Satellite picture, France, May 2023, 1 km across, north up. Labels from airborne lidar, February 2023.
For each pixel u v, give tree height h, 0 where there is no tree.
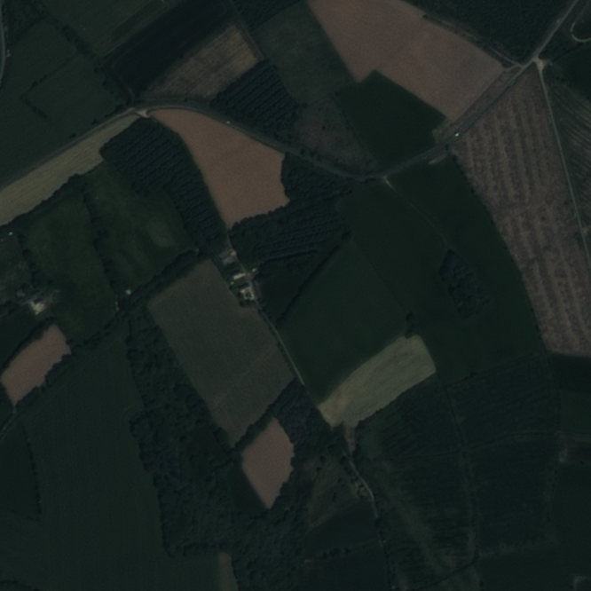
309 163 9
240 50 0
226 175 0
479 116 0
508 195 0
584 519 0
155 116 0
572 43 0
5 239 0
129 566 0
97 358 0
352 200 0
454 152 0
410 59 0
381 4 0
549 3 6
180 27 0
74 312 0
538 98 0
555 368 0
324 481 0
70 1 0
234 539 8
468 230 0
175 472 17
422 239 0
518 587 0
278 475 0
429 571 0
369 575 0
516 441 0
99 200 0
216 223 16
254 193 0
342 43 0
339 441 11
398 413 0
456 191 0
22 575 0
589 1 0
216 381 0
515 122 0
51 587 0
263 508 0
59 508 0
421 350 0
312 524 0
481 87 0
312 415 17
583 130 0
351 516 0
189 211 17
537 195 0
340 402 0
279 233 14
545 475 0
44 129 0
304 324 0
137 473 0
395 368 0
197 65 0
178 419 9
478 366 0
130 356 17
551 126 0
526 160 0
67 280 0
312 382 0
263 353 0
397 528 0
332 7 0
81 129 0
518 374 0
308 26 0
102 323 0
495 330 0
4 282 0
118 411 0
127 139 14
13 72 0
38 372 0
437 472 0
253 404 0
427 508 0
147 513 0
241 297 8
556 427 0
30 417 0
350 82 0
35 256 0
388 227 0
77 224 0
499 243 0
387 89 0
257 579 16
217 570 0
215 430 8
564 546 0
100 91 0
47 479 0
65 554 0
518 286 0
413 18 0
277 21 0
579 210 0
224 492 10
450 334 0
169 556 12
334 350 0
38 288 14
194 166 12
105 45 0
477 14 6
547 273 0
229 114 12
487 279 0
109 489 0
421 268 0
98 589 0
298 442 20
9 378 0
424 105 0
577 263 0
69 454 0
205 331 0
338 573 0
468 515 0
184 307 0
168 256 0
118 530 0
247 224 17
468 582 0
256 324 0
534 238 0
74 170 0
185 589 0
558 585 0
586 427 0
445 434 0
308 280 7
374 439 0
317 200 15
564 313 0
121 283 13
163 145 19
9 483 0
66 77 0
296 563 6
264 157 0
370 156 0
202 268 0
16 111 0
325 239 13
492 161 0
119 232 0
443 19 0
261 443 0
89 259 0
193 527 11
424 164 0
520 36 7
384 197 0
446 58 0
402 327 0
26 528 0
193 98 0
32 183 0
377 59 0
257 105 14
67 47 0
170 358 9
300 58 0
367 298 0
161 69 0
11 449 0
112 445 0
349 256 0
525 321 0
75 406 0
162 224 0
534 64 0
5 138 0
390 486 0
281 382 0
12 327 0
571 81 0
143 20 0
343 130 0
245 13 13
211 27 0
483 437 0
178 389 19
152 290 9
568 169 0
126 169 16
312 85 0
